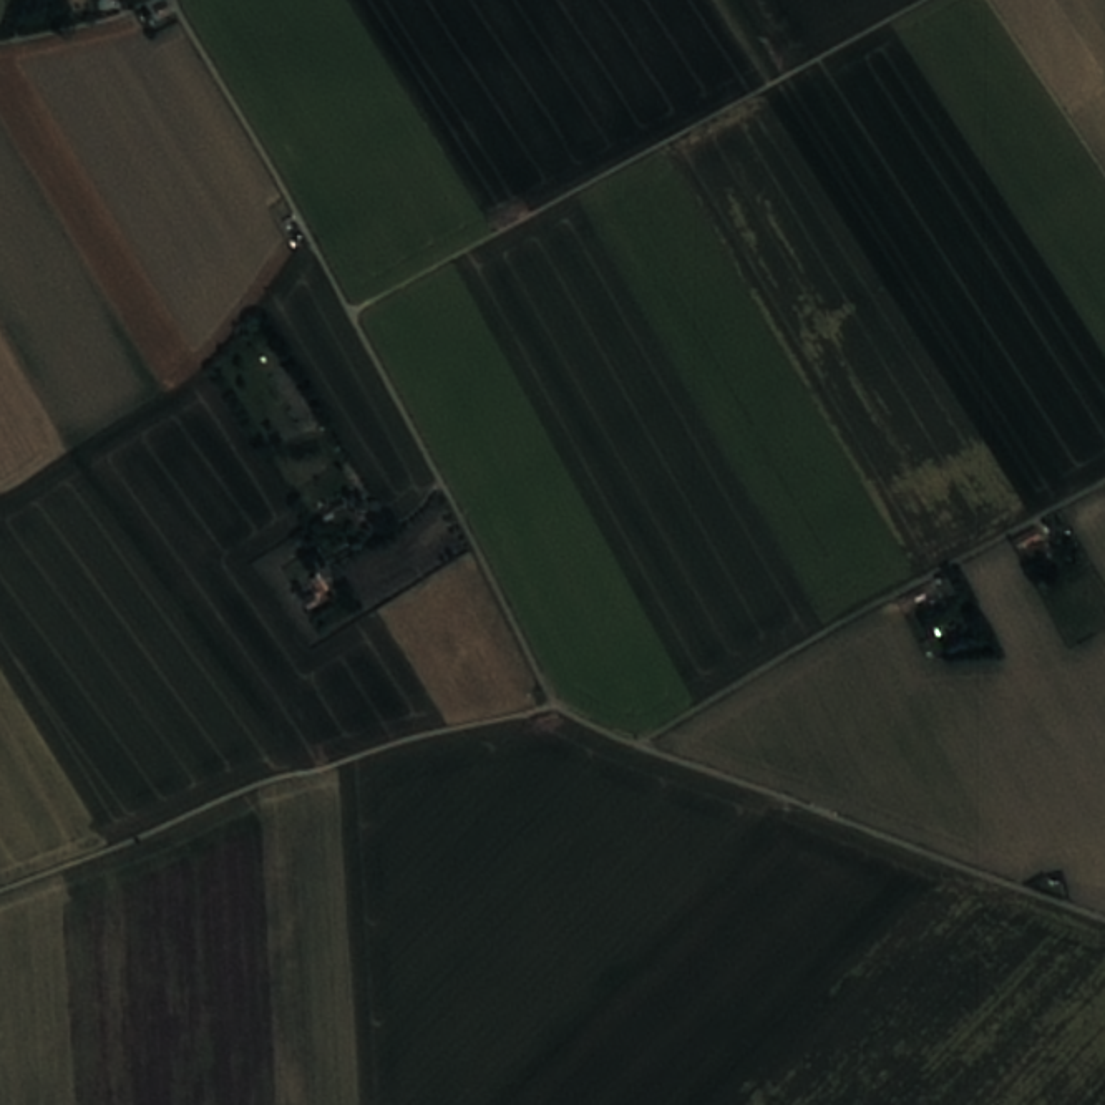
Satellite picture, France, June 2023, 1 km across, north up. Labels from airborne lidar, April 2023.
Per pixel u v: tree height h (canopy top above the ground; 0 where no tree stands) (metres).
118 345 0
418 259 0
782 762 0
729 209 0
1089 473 0
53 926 0
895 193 0
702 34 0
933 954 0
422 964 0
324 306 0
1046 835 0
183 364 0
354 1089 0
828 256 0
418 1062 0
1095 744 0
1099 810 0
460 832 0
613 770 0
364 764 0
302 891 0
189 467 0
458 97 0
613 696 0
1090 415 0
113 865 0
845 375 0
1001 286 0
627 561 0
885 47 0
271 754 0
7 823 0
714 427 0
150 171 0
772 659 0
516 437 0
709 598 0
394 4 0
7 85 0
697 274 0
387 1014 0
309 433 0
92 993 0
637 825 0
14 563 0
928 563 0
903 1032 0
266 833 0
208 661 0
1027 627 0
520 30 0
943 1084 0
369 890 0
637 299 0
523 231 0
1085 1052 0
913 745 0
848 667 0
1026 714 0
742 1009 0
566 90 0
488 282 0
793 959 0
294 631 0
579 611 0
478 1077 0
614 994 0
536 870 0
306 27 0
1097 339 0
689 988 0
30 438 0
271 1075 0
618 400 0
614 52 0
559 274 0
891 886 0
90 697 0
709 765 0
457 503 0
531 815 0
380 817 0
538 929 0
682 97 0
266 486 0
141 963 0
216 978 0
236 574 0
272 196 0
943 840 0
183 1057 0
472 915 0
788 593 0
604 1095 0
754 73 0
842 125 0
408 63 0
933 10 0
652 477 0
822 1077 0
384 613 0
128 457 0
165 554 0
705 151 0
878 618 0
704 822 0
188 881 0
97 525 0
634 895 0
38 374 0
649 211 0
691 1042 0
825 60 0
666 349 0
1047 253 0
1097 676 0
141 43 0
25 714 0
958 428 0
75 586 0
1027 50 0
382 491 0
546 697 0
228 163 0
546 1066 0
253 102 0
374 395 0
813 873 0
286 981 0
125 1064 0
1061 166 0
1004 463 0
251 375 0
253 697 0
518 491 0
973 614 20
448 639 0
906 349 0
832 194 0
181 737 0
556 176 0
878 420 0
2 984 0
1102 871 0
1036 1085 0
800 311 0
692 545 0
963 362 0
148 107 0
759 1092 0
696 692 0
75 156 0
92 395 0
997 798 0
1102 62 0
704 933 0
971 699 0
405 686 0
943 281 0
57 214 0
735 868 0
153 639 0
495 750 0
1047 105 0
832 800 0
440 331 0
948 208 0
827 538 0
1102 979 0
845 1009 0
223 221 0
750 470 0
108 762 0
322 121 0
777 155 0
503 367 0
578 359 0
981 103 0
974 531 0
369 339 0
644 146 0
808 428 0
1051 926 0
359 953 0
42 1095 0
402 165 0
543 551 0
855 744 0
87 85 0
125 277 0
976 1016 0
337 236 0
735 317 0
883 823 0
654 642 0
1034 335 0
